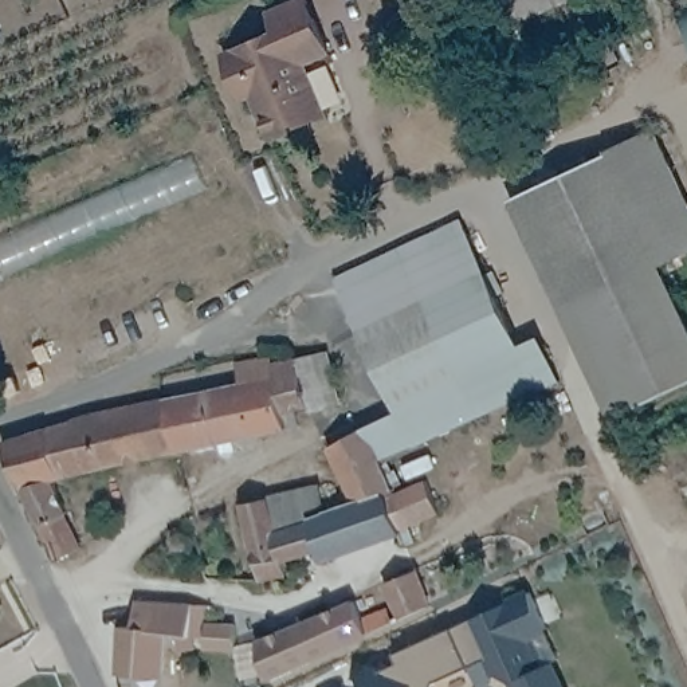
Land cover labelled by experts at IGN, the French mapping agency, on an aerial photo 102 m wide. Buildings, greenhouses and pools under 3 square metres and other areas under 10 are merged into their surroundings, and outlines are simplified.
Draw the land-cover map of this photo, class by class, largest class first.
<instances>
[{"label":"building","instance_id":"1","mask_svg":"<svg viewBox=\"0 0 687 687\"><path fill-rule=\"evenodd\" d=\"M263 5L255 8L263 16V35L233 48L220 46L217 64L223 78H233L236 83L250 86V97L242 102L244 113L255 115L258 123H271V131H276V137H287V131L293 129H311L314 121L325 118V107H319L306 72L309 62L322 59V43H327V35L314 8V0H260ZM561 5H566V0H513V16L523 19L534 13L558 11ZM682 43L687 48V8L676 21ZM507 215L550 298L556 319L574 357L601 413L609 411L612 403H628L633 408L649 403L660 405L684 397L687 392V333L671 303L668 290L657 276V268L666 266V271H676L687 258V207L674 185V177L655 140L639 134L521 193L507 196ZM201 191L193 164L180 161L169 169H161L150 177H142L131 185H123L75 209H67L0 244V287L19 279L13 268L35 263L40 255H48L70 242L86 239L99 228L121 225L156 209ZM333 298L346 317L354 344L362 346L373 365L368 378L378 389V397L386 405V416L368 427H360L357 432L330 445L325 454L333 467V478L341 486V494L325 496L319 486H309L247 505H242L236 494H231L220 505H225V526L233 539V564L244 572H252L255 580L279 577L284 564L295 558H303L309 569L317 564H333L346 553L370 547L376 542H394L408 529L419 534L421 521H427L435 513L432 507L440 505L443 494L432 488L427 475L389 483V475L378 472V462L427 445L432 437H443L451 429L472 419H480L491 411H502L518 381H537L542 386H550L553 381L537 344H513L505 333L486 295L480 271L467 250V239L462 228L451 223L354 271L335 276ZM233 384L89 413L0 443V478L8 486H21V491H27L30 499H38L40 523H32V531L54 566H56L59 556L64 553L81 561L83 539L72 542L62 521L59 505L54 499L56 480L99 472L107 467H121L123 462H142L158 456H231L236 443L268 435L276 427L284 429V419L293 416V411L319 413L327 411V394L333 392L327 384V357L322 354L295 360H252L233 362ZM357 601L341 604L335 609H327L317 617H309L263 639H255L252 631L239 636L233 625H217V620H204L201 636L228 639L239 644L231 657L233 671L242 679L239 687H271L276 682H284L301 671L325 663L333 655H352L384 649L400 628L443 612H454L464 606L472 596L467 588L448 593L440 569V556L419 561V569L397 580H384V574L378 572L365 590L354 593ZM499 606L397 652L392 663L381 668V676L368 687H435L451 674L470 671V663L478 657L483 660V674L488 679L505 682L507 687H566V679L556 663V644L550 639L547 623L542 620L531 585L526 580H515L499 588ZM123 609L131 620H137V628L113 631V671L115 676H129L134 684L148 679L153 682L158 676V644L164 636L182 633L188 606L148 604L134 601L129 596Z\"/></svg>","mask_w":687,"mask_h":687},{"label":"herbaceous vegetation","instance_id":"2","mask_svg":"<svg viewBox=\"0 0 687 687\"><path fill-rule=\"evenodd\" d=\"M129 0H0V32L11 35L24 24H35L43 16H56L59 11L70 8V19L24 38L27 48H32L48 38L70 32L78 24H86L94 16L115 11V5H123ZM177 0H161L156 8H148L145 13L126 16L123 40L115 46H102L97 51V59L126 54L129 64L140 70V78L126 81L129 89L148 86V97L131 99V107H156L177 97L185 86L196 83V72L188 62L180 38L169 30V11ZM263 5L260 0H236L233 5L217 13L193 16L191 32L204 54L209 81L217 89L244 150H260L266 142H282L284 137H276V131H271V123H258L255 115L244 113L242 102L250 97V86L236 83L233 78H223L217 64L220 46L233 48L263 35V16L255 8ZM580 32L574 13L558 11L534 13L523 19L521 38L534 51H553L561 43H572ZM644 43H652L655 51H660L657 30L655 24L641 32L623 35L620 46L615 51H606L604 64L609 75L604 78V86L580 81L566 83V89L558 94L561 126L582 121L590 110L612 107L623 97V91L625 75L641 72ZM362 78H370V94L376 102L373 123L381 131L384 126H392V148L397 153L400 166L424 174L440 164L459 166L464 158L454 148L456 123L440 115L429 89H411L397 81H381L378 75H373L370 64L362 70ZM180 161L193 164L201 191L156 209L158 223H148L142 231L126 233L121 242L99 250L97 255L70 260L48 271H38L30 279H19L0 287V400L8 408L27 405L78 381L102 378L123 368L126 362L142 360L145 354L140 352L142 330L137 325V314L164 317V301L177 295L182 301L185 314H196V309L209 298H220L223 303L231 301L236 293H228V287L236 279H252L258 271L279 266L290 258V244L284 242V236L276 233L268 204L263 201L255 185V169L236 164L225 145L223 126L204 94L188 97L174 107L158 110L150 118L140 121V126L126 137H99L81 150H70L64 156L32 164L27 185L30 204L19 215L0 217V244L67 209H75L123 185H131L142 177H150L161 169H169ZM319 145L322 164L335 169L333 185H317L306 153L298 150L290 161L298 169V180L309 199H314L319 217H330L335 209L333 191H344L352 196L381 193L384 185V177L373 174L368 161L362 158L354 126L344 131V121L327 123L325 118L314 121L311 129ZM657 276L668 290L671 303L687 333V258L676 271H666V266L657 268ZM252 360L250 352H196L193 357L161 368L158 373H153V384L166 386V378L174 373L233 362ZM550 397H556L561 413V421L556 424L550 440L539 445H518L507 459L505 478H494V435L505 432L507 419H526L537 403ZM574 400L564 389V378L553 381L550 386H542L537 381H518L502 411H491L480 419H472L451 429L443 437H432L427 445L378 462V472L389 475V483L427 475L432 488L443 494L440 505L432 507L435 513L459 515L464 507L480 502L488 491H494L502 480L513 483L523 478V472L529 470L542 472L558 488L561 483H569L572 475H580L585 507L582 534L558 537V545L539 550V539L553 534V523L561 521L558 491H547L518 502L505 515H499L488 531H483L480 537L470 534L464 537V542L445 547L440 556V569L464 566L472 558H483V585L499 588L515 580H526L531 585L542 620L547 623L550 639L556 644V663L566 679V687H687V657L676 644V636L660 606L652 577L641 566V556L631 547V534L620 510V499H598V494L606 486V478L601 472V464L580 448L585 443V435L574 416ZM615 545L631 547L625 574L620 577V588L631 593L636 612H644L641 633L647 639H657L660 644L663 666L649 668L647 663H633L628 641L633 639V633L609 617L601 598V585L596 574H574L569 566H574L582 558L598 556L601 550H612ZM649 515L660 526L687 529V443L668 445L660 454V467L636 483ZM220 456H158L142 462H123L121 467H107L99 472L56 480L54 499L59 505L62 521L72 542L83 539L81 561L64 553L59 556L56 566L72 569L94 561L107 539H97L89 531L86 507L94 510L105 502L113 513L123 515V499L131 494L134 480L145 475H169L182 488L188 486L191 475H204V470L215 467ZM239 582L244 590L255 596L284 593L279 588V577L255 580L252 572H244L233 564V572L223 580ZM38 625L30 609L24 606L19 588L13 585V577H8L0 569V647L21 636H32ZM204 620H217V625H233V615H228L212 598L204 606ZM209 660L207 676L182 668L177 671L180 687H239L242 679L233 671L231 657L204 652ZM338 663L352 666V655H333L325 663L301 671L284 682H276L271 687H298L330 671ZM19 687H81L72 671L67 676H56L54 668H43L40 676H32Z\"/></svg>","mask_w":687,"mask_h":687},{"label":"deciduous trees","instance_id":"3","mask_svg":"<svg viewBox=\"0 0 687 687\"><path fill-rule=\"evenodd\" d=\"M161 0H129L123 5H115V11L94 16L86 24H78L70 32L48 38L32 48H27L24 38L70 19V8L59 11L56 16H43L35 24H24L11 35L0 32V217L19 215L30 204L27 185L32 164L64 156L70 150H81L99 137H126L140 126V121L150 118L158 110L156 107H131V99L148 97V86L129 89L126 81L140 78V70L129 64L126 54L97 59V51L102 46H115L123 40L126 16L145 13L148 8H156ZM236 0H177L169 11V30L180 38L191 32L193 16L217 13L233 5ZM558 11L574 13L580 32L572 43H561L553 51H534L521 38L523 19L513 16V0H381V11L368 16V32L362 35V46L368 51L370 64L373 75H378L381 81H397L411 89H429L440 115L456 123L454 148L464 158L459 166L440 164L424 174L400 166L394 172V182L400 193L411 199H427L432 191L448 188L459 177H502L505 185L518 182L545 164V156L556 148L553 142H547V134L561 126L558 94L566 89V83L580 81L604 86V78L609 75L604 64L606 51H615L620 46L623 35L641 32L655 24V19L647 11V0H566V5H561ZM639 134L655 140L676 131L674 121L652 107H644L641 115L631 121ZM287 137L298 150L306 153L317 185H333L335 169L322 164L319 145L311 129H293L287 131ZM335 209L330 217H319L314 199H309L301 204L303 223L311 233L362 236L368 228L378 225L381 193L352 196L344 191H333ZM327 384L333 392L335 397H346L349 392L344 381V368H333L327 362ZM601 445L615 454L620 470L636 483L660 467V454L668 445L687 443V392L684 397L660 405L649 403L633 408L628 403H612L609 411L601 413ZM561 421V413L556 397H550L537 403L526 419H507L505 432L494 435V478H505L507 459L518 445H539L550 440L556 424ZM561 521L553 523V534L539 539V550L558 545V537L582 534L585 507L580 475H572L569 483H561L558 488V491ZM89 531L97 539H113L123 529V515L113 513L105 502L94 510L86 507ZM233 539L225 526V505H220L204 510H185L180 518L169 521L158 539L148 545L142 556L134 561V572L145 577L182 582L223 580L233 572ZM631 547L615 545L612 550H601L598 556L582 558L574 566H569L574 574H596L601 585L620 588V577L625 574ZM309 582V569L303 558H295L284 564L279 577V588L284 593L301 590ZM448 593L467 588L472 596L483 585V558H472L464 566L440 569ZM182 668L207 676L209 660L204 652H182Z\"/></svg>","mask_w":687,"mask_h":687},{"label":"impervious surface","instance_id":"4","mask_svg":"<svg viewBox=\"0 0 687 687\"><path fill-rule=\"evenodd\" d=\"M306 72L319 107H338L335 91L341 89V81L335 75V67L327 59H322L309 62ZM644 107L623 91V97L612 107L590 110L582 121L561 126L547 134V142H553L556 148L545 156V164L518 182L505 185L502 177H459L448 188L432 191L427 199H411L400 193L394 182L384 185L381 193L378 225L368 228L362 236L311 233L303 223L301 204L293 196L290 201L268 204L276 233L284 236V242L290 244V258L279 266L258 271L252 279H236L228 287V293H236L231 301L223 303L220 298H209L196 309V314H185L188 333L180 341L182 349L164 346L153 354H145L142 360L126 362L123 368L102 378L78 381L27 405L8 408L0 400V443L89 413L233 384V362L174 373L166 378V386L153 384V373H158L161 368L193 357L196 352H250L258 341L268 346H287L295 360L322 354L327 357V362L333 368H344V381L349 392L346 397H335L333 392L327 394V411L319 413L317 429L325 435L330 445L357 432L360 427H368L386 416V405L378 397V389L368 378L373 365L362 346L354 344L346 317L333 298L335 276L354 271L451 223L462 228L467 239V250L480 271L486 295L505 333L513 344H537L553 381L564 378L561 368L574 357L556 319L550 298L507 215V196L521 193L639 134L631 121L641 115ZM32 523H40L38 499H30L27 491H21V486H8L0 478V547H13V556L35 590L38 606L46 615L48 628L54 631L72 671L81 687H180L177 671L182 668V652H204L231 657L239 644L228 639L201 636L204 620V606H188L182 633L164 636L158 644V676L153 682L148 679L134 684L129 676H115L113 671L105 676L99 674V666L81 628L75 625L67 609V601L62 598L51 577L54 566L32 531ZM499 588L483 585L472 596L464 606L454 612H443L400 628L384 649L352 655V666L338 663L330 671L298 687H368L381 676V668L392 663L397 652L499 606ZM357 601L354 593L352 588L322 590L317 598L301 606H293L287 612H268L260 620L242 609H236L233 615V625L239 636L252 631L255 639H263L309 617H317L327 609H335L341 604ZM435 687H507L505 682L488 679L483 674V660L478 657L470 663V671L451 674Z\"/></svg>","mask_w":687,"mask_h":687},{"label":"pervious surface","instance_id":"5","mask_svg":"<svg viewBox=\"0 0 687 687\"><path fill-rule=\"evenodd\" d=\"M314 8L327 35V43H322V59H327L335 67V75L341 81V89L335 91L338 107H325V118L327 123L344 121V131L354 126L362 158L368 161L373 174L384 177V185L394 182V172L389 169L381 153V131L373 123L376 102L370 94V78H362V70L370 64L368 51L362 46V35L368 32V16L381 11V0H314ZM660 51H655L652 43H644L641 72L625 75L623 91L644 107H652L674 121L676 131L655 140L674 177V185L687 207V48L682 43L676 21L671 19L666 27L657 30ZM255 169V185L263 201L268 204L290 201L293 196L274 156L260 158ZM164 317L137 314V325L142 330L140 352L145 354H153L164 346L182 349L180 341L188 333L185 314L182 301L177 295L164 301ZM564 378V389L574 400V416L585 435V443L580 448L601 464V472L606 478V486L598 494V499H620V510L631 534V547L641 556V566L652 577L660 606L676 636V644L687 657V529L660 526L649 515L636 483L620 470L615 454L601 445V413L574 357L561 368ZM319 413L293 411V416L284 419V429L276 427L268 435L236 443L231 456H220L215 467L204 470V475H191L188 486L182 488L169 475H145L134 480L131 494L123 499V529L113 539H107L94 561L72 569L56 566H54L51 577L62 598L67 601V609L75 625L81 628L99 666V674L105 676L113 671V631L137 628V620H131L123 609L129 596L134 601L148 604L188 606H204L212 598L228 615H233L236 609H242L260 620L268 612H287L293 606H301L317 598L322 590L352 588L354 593L365 590L378 572L384 574V580H397L419 569V561L440 556L445 547L464 542V537L470 534L480 537L483 531H488L499 515H505L518 502L547 491H558V488L542 472L529 470L523 472V478L513 483L502 480L494 491H488L480 502L464 507L459 515L435 513L427 521H421L419 534L408 529L394 542H376L370 547L346 553L333 564H317L309 569V582L301 590L284 593L255 596L244 590L239 582L223 580L182 582L145 577L134 572V561L142 556L148 545L158 539L169 521L180 518L185 510H204L220 505L231 494H236L242 505H247L309 486H319L325 496L341 494V486L333 478V467L325 454L330 445L325 435L317 429ZM0 569L8 577H13V585L19 588L24 606L30 609L38 625L32 636H21L0 647V687H19L32 676H40L43 668H54L56 676H67L72 671L54 631L48 628L46 615L38 606L35 590L13 556V547H0Z\"/></svg>","mask_w":687,"mask_h":687},{"label":"brushwood","instance_id":"6","mask_svg":"<svg viewBox=\"0 0 687 687\"><path fill-rule=\"evenodd\" d=\"M188 62L196 72V83L185 86L177 97L156 107L158 110L174 107L188 97L204 94L223 126L225 145L236 164L255 169L260 158L274 156L293 196L301 204L309 199L298 180V169L290 161L298 150L287 137H284L282 142H266L260 150H244L217 89L209 81L204 54L191 32L180 38ZM381 153L389 169L394 172L400 166L397 153L392 148V126H384L381 131ZM250 352L252 360H295L287 346H268L258 341ZM601 598L609 617L633 633V639L628 641L633 663H647L649 668L663 666L660 644L657 639H647L641 633L644 612H636L631 593L620 588L601 585Z\"/></svg>","mask_w":687,"mask_h":687},{"label":"agricultural land","instance_id":"7","mask_svg":"<svg viewBox=\"0 0 687 687\"><path fill-rule=\"evenodd\" d=\"M687 8V0H647V11L655 19V24L657 30L666 27L671 19L676 21ZM148 223H158L156 209L121 225L99 228L86 239L70 242L48 255H40L35 263L13 268L19 279H30L38 271H48L70 260L97 255L99 250L121 242L126 233L142 231Z\"/></svg>","mask_w":687,"mask_h":687}]
</instances>
